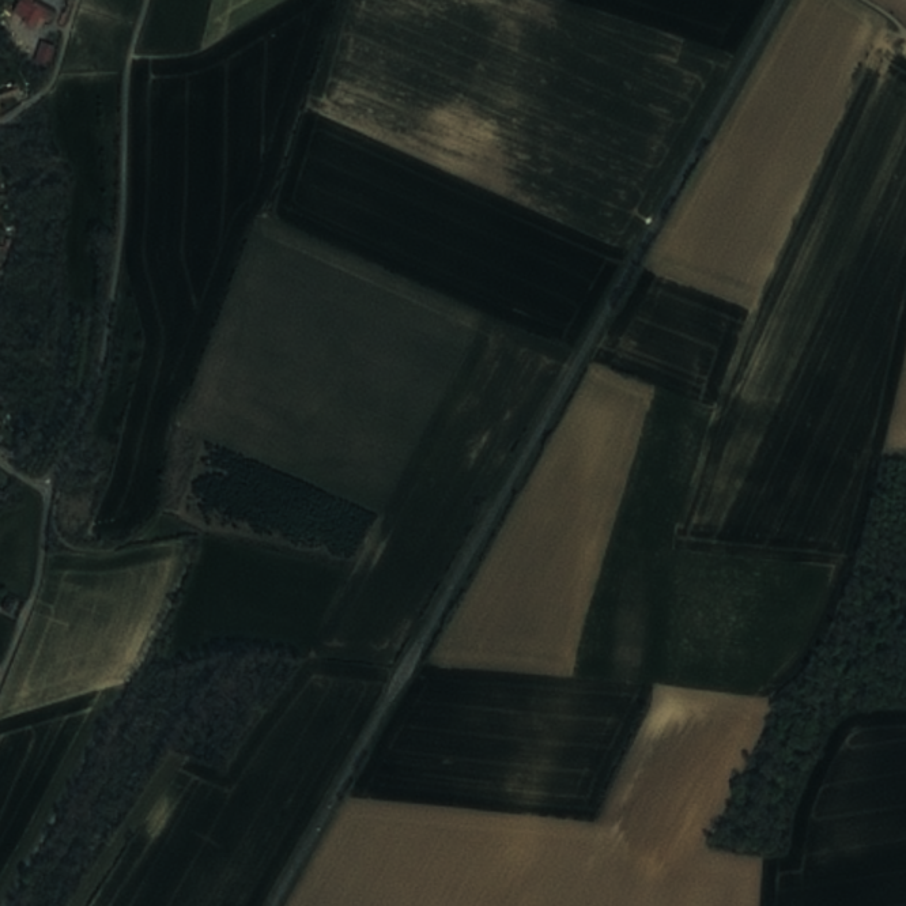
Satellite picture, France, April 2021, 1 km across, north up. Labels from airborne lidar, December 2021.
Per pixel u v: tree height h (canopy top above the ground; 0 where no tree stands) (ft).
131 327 0
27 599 0
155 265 0
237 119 0
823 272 0
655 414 0
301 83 0
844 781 0
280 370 0
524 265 0
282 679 52
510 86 0
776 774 83
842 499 0
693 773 0
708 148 47
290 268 0
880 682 62
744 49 0
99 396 54
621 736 0
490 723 0
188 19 0
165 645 46
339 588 0
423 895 0
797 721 68
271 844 0
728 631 0
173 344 0
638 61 0
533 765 0
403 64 0
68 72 0
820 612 0
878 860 0
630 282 45
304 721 0
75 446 49
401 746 0
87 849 44
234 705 69
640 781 0
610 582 0
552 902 0
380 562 0
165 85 0
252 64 0
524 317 0
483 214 0
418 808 0
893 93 0
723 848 23
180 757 41
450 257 0
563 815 0
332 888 0
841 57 0
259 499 26
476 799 0
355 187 0
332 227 0
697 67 0
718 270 0
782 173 0
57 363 26
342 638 0
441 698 0
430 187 0
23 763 0
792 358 0
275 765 0
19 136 51
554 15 0
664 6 0
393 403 0
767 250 0
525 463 0
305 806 0
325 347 0
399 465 0
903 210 0
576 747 0
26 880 52
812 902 0
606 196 0
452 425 0
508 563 0
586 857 0
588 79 0
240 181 0
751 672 0
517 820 0
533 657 0
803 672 24
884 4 0
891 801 0
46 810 0
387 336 0
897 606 74
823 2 0
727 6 0
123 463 0
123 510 0
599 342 0
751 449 0
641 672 0
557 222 0
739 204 0
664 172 0
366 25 0
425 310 0
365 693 0
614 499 0
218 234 0
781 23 0
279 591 0
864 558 51
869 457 0
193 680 38
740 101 0
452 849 0
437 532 0
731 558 0
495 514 0
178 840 0
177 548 0
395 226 0
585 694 0
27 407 31
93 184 0
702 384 0
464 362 0
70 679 0
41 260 50
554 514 0
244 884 0
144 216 0
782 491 0
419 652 0
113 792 43
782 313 0
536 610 0
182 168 0
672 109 0
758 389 0
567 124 0
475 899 0
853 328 0
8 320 55
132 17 0
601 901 0
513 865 0
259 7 0
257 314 0
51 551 40
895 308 0
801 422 0
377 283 0
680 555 0
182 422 0
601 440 0
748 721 0
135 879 0
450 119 0
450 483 0
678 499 0
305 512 22
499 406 0
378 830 0
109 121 0
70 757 0
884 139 0
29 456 81
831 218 0
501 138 0
